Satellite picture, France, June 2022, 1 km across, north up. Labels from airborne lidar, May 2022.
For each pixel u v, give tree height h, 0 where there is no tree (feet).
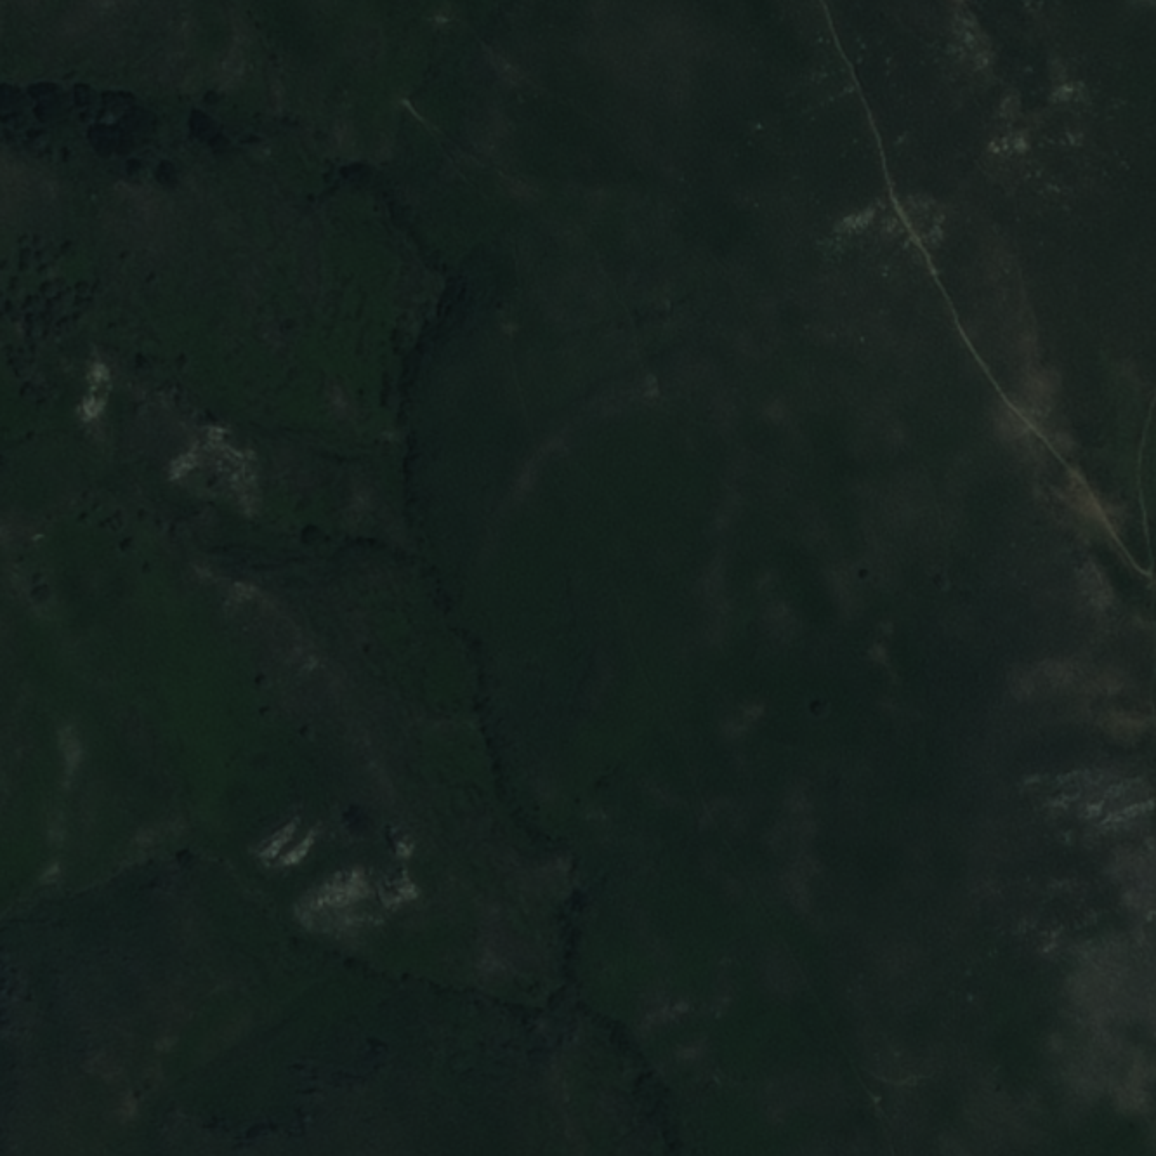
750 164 0
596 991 0
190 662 0
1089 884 0
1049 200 0
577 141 0
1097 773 0
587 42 0
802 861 0
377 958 0
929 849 0
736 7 0
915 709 0
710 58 0
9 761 0
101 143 62
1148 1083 0
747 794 0
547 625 0
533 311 0
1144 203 0
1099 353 0
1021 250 0
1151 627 0
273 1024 0
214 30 0
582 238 0
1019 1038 0
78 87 46
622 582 0
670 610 0
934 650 0
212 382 0
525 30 0
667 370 0
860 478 0
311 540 55
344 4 0
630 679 0
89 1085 0
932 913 0
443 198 0
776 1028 0
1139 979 0
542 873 0
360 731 0
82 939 0
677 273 0
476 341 0
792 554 0
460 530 0
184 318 0
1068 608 0
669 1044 0
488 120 0
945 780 0
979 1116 0
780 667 0
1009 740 0
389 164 25
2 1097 0
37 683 0
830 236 0
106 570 0
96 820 0
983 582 0
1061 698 0
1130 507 0
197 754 0
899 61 0
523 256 0
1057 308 0
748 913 0
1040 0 0
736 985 0
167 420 0
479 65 0
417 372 31
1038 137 0
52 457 0
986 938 0
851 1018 0
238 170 0
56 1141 0
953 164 0
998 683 0
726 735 0
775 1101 0
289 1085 0
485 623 0
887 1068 0
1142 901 0
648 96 0
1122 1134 0
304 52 0
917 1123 0
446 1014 0
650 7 0
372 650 41
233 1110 0
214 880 0
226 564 0
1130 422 0
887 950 0
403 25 0
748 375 0
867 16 0
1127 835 0
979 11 0
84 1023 0
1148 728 0
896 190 0
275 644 0
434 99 0
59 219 0
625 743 0
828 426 0
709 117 0
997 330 0
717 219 0
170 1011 0
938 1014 0
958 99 0
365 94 0
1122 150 0
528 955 0
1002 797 0
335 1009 0
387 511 20
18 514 0
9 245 0
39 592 45
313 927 0
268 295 0
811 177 0
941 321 0
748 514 0
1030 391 0
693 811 0
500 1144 0
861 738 0
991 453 0
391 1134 0
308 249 0
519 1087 0
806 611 0
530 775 0
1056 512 0
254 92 0
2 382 0
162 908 0
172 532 33
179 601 0
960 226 0
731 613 0
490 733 26
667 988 0
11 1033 0
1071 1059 0
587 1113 0
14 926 0
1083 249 0
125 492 0
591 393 0
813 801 0
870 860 0
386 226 22
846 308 0
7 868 0
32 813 0
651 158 0
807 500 0
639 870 0
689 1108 0
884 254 0
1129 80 0
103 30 0
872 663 0
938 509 0
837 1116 0
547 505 0
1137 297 0
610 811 0
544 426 0
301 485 0
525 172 0
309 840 0
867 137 0
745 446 0
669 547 0
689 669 0
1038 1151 0
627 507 0
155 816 0
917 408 0
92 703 0
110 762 0
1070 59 0
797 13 0
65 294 34
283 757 0
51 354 0
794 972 0
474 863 0
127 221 0
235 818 0
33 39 0
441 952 0
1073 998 0
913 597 0
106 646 0
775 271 0
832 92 0
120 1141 0
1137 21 0
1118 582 0
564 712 0
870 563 0
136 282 0
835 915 0
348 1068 0
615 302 0
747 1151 0
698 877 0
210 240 0
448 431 0
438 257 25
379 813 0
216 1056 0
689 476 0
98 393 22
